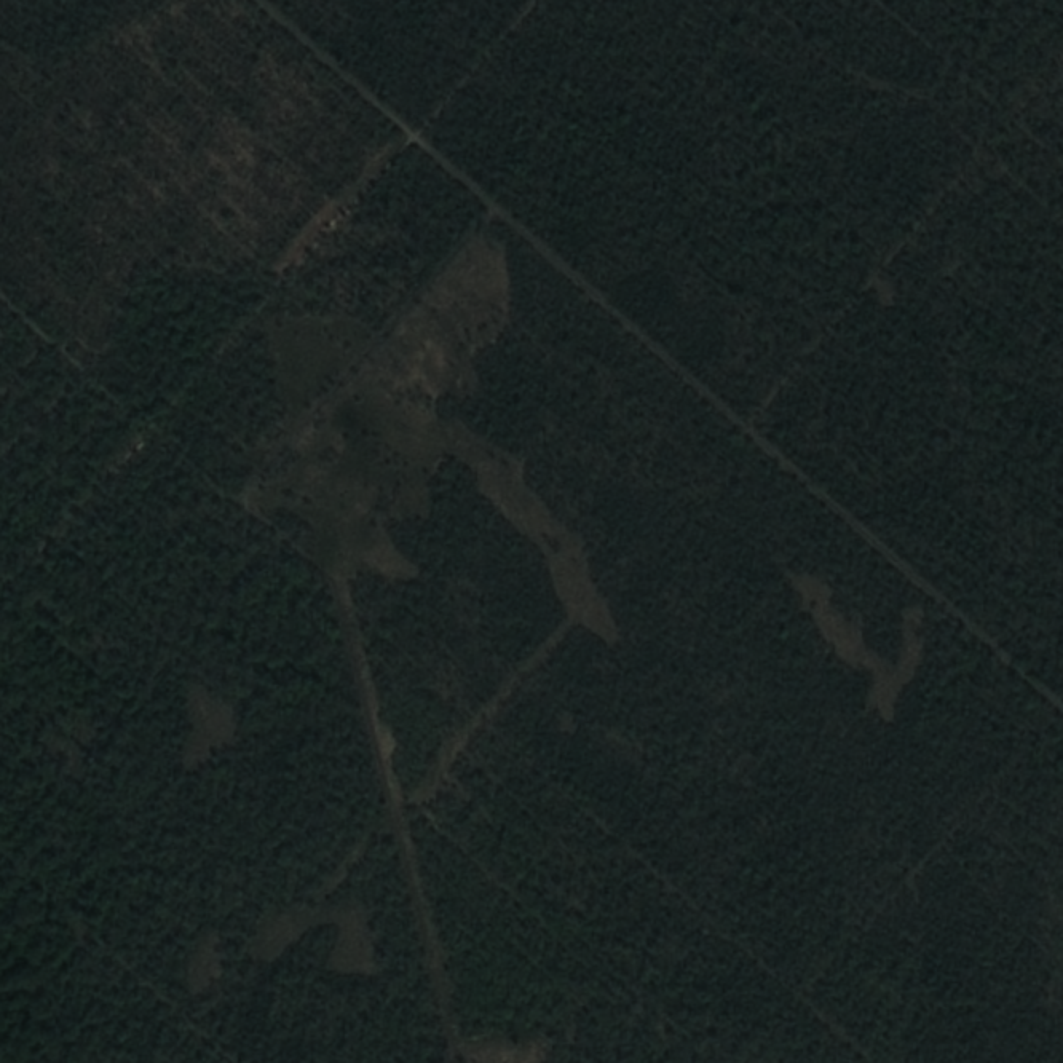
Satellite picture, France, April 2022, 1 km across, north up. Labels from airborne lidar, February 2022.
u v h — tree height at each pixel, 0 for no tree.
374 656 10
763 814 13
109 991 8
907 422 12
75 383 16
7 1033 7
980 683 13
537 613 7
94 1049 9
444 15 13
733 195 11
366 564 0
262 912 10
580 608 0
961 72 16
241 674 15
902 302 7
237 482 14
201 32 0
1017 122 17
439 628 11
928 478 7
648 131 12
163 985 8
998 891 11
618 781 10
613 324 8
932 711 9
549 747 7
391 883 11
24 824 17
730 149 14
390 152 0
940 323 7
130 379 8
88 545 16
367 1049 9
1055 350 15
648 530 6
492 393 9
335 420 0
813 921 11
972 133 12
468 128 12
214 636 6
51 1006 18
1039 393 9
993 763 10
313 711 14
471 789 12
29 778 22
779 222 13
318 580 13
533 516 0
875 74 6
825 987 10
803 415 11
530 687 13
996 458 10
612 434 11
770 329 15
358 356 0
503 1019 13
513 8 6
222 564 12
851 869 12
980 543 11
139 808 6
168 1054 10
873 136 9
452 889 13
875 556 9
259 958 0
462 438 0
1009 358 14
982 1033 9
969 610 16
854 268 11
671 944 14
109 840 10
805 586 0
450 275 0
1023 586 16
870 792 9
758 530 10
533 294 6
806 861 11
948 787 11
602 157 9
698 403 8
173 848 14
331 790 16
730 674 14
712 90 16
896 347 9
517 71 13
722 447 7
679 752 13
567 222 8
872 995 12
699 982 7
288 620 17
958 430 15
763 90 12
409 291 7
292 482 0
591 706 8
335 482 0
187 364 13
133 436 14
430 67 10
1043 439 13
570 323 11
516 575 9
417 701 11
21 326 13
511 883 15
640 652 9
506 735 12
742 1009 11
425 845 12
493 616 10
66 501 13
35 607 23
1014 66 16
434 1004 10
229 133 0
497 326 6
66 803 19
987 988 7
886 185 9
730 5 14
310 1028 11
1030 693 17
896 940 10
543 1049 0
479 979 12
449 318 0
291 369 0
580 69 10
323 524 0
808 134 14
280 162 7
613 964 14
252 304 13
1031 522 12
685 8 12
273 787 11
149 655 6
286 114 0
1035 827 13
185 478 12
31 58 15
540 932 13
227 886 10
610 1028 9
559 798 11
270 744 13
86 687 13
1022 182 14
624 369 9
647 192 6
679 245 10
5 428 14
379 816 6
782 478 12
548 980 11
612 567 7
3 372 13
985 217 16
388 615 9
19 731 15
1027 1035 5
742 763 14
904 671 0
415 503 0
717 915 8
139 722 15
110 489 11
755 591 9
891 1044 12
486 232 11
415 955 17
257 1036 7
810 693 7
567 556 0
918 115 10
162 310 12
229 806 12
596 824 10
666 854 7
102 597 8
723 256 11
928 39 10
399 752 7
